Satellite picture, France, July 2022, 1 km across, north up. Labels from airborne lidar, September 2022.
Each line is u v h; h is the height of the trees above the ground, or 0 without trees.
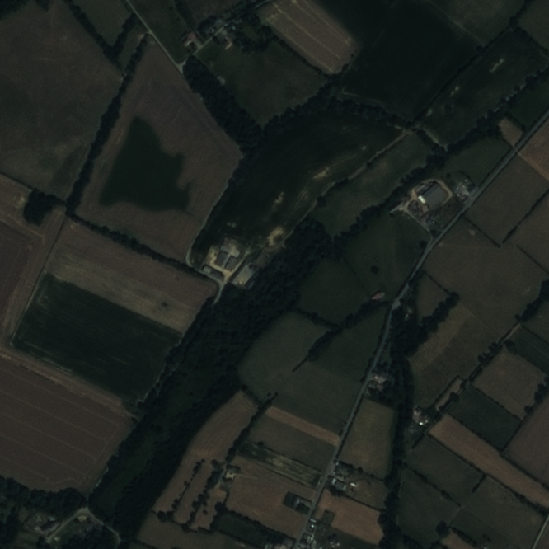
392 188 0
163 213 0
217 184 0
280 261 24
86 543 16
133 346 0
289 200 0
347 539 0
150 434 0
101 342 0
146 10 0
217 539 0
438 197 0
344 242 23
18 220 0
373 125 0
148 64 0
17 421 0
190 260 0
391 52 0
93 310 0
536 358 0
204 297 0
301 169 0
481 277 0
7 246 0
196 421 6
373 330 0
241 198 0
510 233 7
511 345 19
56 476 0
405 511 0
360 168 0
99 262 0
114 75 0
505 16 0
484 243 0
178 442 5
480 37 0
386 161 0
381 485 0
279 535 6
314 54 0
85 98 0
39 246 0
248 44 13
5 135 0
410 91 0
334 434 0
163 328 0
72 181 0
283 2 0
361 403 6
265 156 0
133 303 0
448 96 0
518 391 0
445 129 0
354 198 0
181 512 0
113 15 0
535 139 0
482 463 0
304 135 0
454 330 0
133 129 0
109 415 0
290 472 0
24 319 0
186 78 14
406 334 15
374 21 0
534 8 0
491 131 20
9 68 0
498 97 0
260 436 0
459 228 0
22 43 0
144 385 0
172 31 0
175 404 0
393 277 0
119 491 0
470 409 0
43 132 0
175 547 0
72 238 0
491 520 0
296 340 0
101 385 0
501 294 0
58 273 0
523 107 0
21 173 0
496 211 0
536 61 0
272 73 0
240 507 0
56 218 0
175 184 0
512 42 0
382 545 14
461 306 0
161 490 7
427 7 0
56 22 0
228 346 7
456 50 0
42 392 0
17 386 0
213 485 6
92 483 0
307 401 0
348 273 0
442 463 0
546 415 0
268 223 0
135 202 0
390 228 0
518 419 6
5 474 0
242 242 0
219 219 0
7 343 0
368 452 0
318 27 0
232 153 0
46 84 0
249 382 0
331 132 0
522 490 0
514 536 0
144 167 0
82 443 0
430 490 0
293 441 0
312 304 0
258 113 0
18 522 22
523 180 0
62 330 0
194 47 7
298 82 0
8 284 0
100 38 14
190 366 0
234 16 12
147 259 0
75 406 0
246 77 0
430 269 0
